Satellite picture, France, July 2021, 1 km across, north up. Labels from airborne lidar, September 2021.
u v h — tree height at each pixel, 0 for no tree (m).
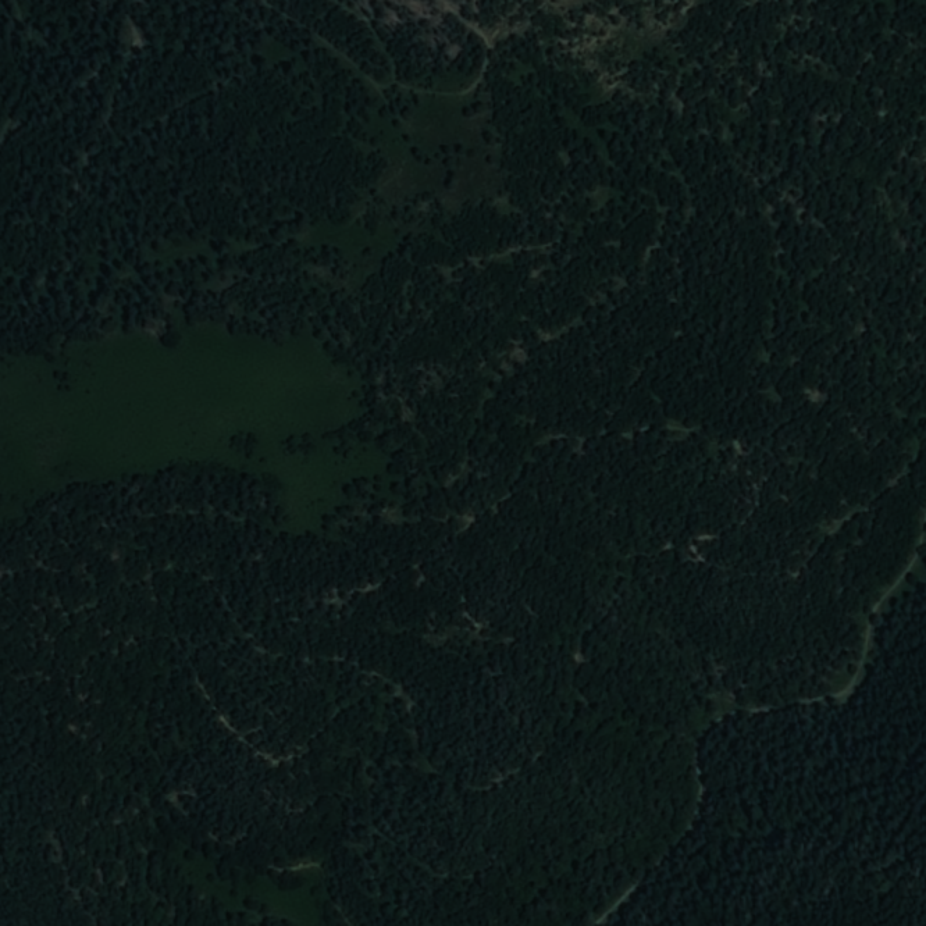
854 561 22
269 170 13
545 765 25
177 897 13
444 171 0
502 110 12
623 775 18
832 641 16
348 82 12
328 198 12
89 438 0
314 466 0
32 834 17
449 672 10
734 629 11
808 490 21
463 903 27
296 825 24
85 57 6
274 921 17
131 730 16
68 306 25
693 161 16
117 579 17
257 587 19
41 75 12
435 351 11
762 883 27
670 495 16
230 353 0
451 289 11
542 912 33
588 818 23
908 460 20
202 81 11
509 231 9
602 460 17
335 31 14
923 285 23
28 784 21
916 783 29
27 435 0
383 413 19
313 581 18
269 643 21
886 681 25
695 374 22
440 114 0
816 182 9
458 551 22
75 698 19
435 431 15
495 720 11
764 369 18
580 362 9
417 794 15
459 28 20
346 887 16
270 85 10
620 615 18
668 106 28
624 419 16
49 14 16
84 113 11
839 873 16
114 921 16
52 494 6
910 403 25
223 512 13
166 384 0
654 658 34
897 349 25
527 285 18
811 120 33
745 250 21
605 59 7
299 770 18
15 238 14
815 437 17
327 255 13
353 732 14
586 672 24
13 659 18
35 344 12
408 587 17
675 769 23
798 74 12
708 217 21
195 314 18
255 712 20
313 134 14
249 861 20
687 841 19
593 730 9
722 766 20
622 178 15
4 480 0
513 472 21
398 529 20
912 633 17
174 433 0
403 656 15
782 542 16
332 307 11
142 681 17
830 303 18
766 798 23
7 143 10
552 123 14
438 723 13
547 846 21
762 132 12
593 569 22
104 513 15
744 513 19
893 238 17
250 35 11
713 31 16
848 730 27
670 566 18
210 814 21
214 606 11
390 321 13
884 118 14
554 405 23
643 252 12
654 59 16
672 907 28
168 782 21
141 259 23
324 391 0
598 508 15
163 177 12
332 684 10
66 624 8
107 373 0
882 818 16
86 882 19
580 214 10
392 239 0
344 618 16
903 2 20
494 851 22
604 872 14
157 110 14
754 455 22
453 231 13
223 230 13
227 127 11
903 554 17
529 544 23
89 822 16
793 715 21
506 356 7
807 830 27
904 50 24
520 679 21
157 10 17
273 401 0
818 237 18
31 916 16
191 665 13
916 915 23
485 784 12
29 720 21
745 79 9
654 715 19
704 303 8
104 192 8
